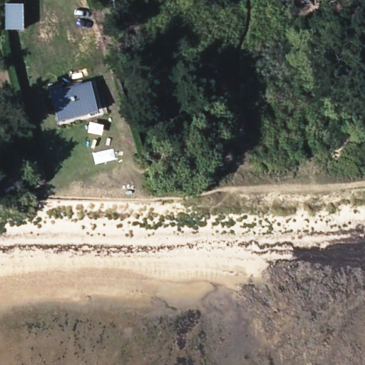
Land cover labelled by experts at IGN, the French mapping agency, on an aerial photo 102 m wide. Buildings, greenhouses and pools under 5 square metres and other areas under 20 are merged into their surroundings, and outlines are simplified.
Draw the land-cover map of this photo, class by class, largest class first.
<instances>
[{"label":"bare soil","instance_id":"1","mask_svg":"<svg viewBox=\"0 0 365 365\"><path fill-rule=\"evenodd\" d=\"M182 202L171 204H134L133 200L111 198H100L98 201L48 200L43 210L38 211L31 221L26 220V224L16 227L6 224V232L0 235V365H365V187H358L355 198H342L332 204L311 198L305 202V210H298L294 205L285 207L279 202L267 204V201L262 200L261 192H251V200L235 197L231 192L201 194H195L194 197L180 195ZM77 205H83L86 211L110 210L118 214L130 212V217L125 220H80ZM151 208L158 214L173 215L180 212L188 215L197 214L202 208H208L211 217L202 218L201 221L207 225L200 228L161 227L158 230H145L135 227L133 222H143Z\"/></svg>","mask_w":365,"mask_h":365},{"label":"deciduous trees","instance_id":"2","mask_svg":"<svg viewBox=\"0 0 365 365\"><path fill-rule=\"evenodd\" d=\"M168 0H100L104 9H110V14L104 19L103 34L118 41L125 27L147 23L160 14V7ZM241 0H192V6H202L207 11L212 10L214 6L224 9L232 3H240ZM284 6L292 4V19L302 20L304 29L312 36L308 41V47L305 48V56L311 63L314 76L312 96L317 93L321 98H329L334 107L336 120L344 118L345 125L365 128V0H281ZM104 64L110 66L114 77L121 81L123 88L124 97L120 100V115L123 118L128 124L134 121L140 125L141 133L147 134L143 147L150 157L145 161L148 167L143 168L141 190L147 197L180 195L194 197L195 194H201L208 191L211 174L214 173L215 167H220L224 163L225 158L228 148L237 141L241 106L237 94L227 81L220 80L214 67L202 63L200 58L188 60L187 57H182L174 68H160L155 60L153 48L145 43L138 44L130 56L123 54L108 51L106 56ZM31 113V106L21 101L6 103H0V140H10L14 135L23 138L33 137L34 124L26 117Z\"/></svg>","mask_w":365,"mask_h":365},{"label":"brushwood","instance_id":"3","mask_svg":"<svg viewBox=\"0 0 365 365\"><path fill-rule=\"evenodd\" d=\"M11 3L10 0H0V36L9 38L10 30L6 29V4ZM292 4L284 6L281 0H241L240 3H232L224 9L214 6L212 10L207 11L202 6H192V0H168L160 7V14L147 23L125 27L118 41L123 54L130 56L138 44L145 43L153 48L155 60L160 68H174L182 57H187L188 60L200 58L202 63L214 67L220 80L227 81L237 94L241 106L237 141L228 148L225 158L232 160V155H240L244 160L245 154L248 153L257 158H268L271 164L288 168L289 171L291 168L299 167L305 161L311 160L324 170L325 174L332 175L338 182L365 180V128L345 125L344 118L336 120L334 107L329 98H321L317 93L312 96L314 76L311 63L305 56V48L308 47V41L312 36L304 29L302 20L292 19ZM10 53L9 40L3 43L0 50V103H6V97L20 90V84L14 67H6L4 64V57ZM137 148L133 158L134 164L143 168L148 167L145 161L150 157L143 147L147 134L141 133L140 125L134 121L128 124ZM29 192L23 185L17 190V195L0 200V205L16 208L17 211L27 214L30 205L21 204L20 198Z\"/></svg>","mask_w":365,"mask_h":365},{"label":"herbaceous vegetation","instance_id":"4","mask_svg":"<svg viewBox=\"0 0 365 365\"><path fill-rule=\"evenodd\" d=\"M11 3L23 4L24 29L10 30L9 38L0 36V50L3 43L9 40L10 53L4 57V64L6 67H14L20 84V90L6 97V103L21 101L31 106V113L26 117L34 124L33 137L23 138L14 135L10 140H0V200L17 195V190L23 185L29 192L20 198L21 204L30 205L27 214L17 211L16 208L0 205V235L6 232V224L16 227L26 224V220L31 221L38 211L43 210L48 200L50 195L57 194L60 190H68L73 182H78L84 187L94 175L106 171V167L101 164L94 163L93 154L91 134L88 133L90 124H101L104 128L110 130L111 125H117L123 118L120 115V100L124 97L123 88L121 81L114 77L110 66L104 64L106 56L101 53V48L97 47L96 43L88 44L86 51H81L76 41L67 40L66 30L71 24L76 23L74 10H83L78 0H10ZM63 74H68L71 78L87 77L93 84L97 107L106 108V113L101 117L77 120L70 124H57L54 115L57 110L48 97V87L53 86L57 78ZM244 163L259 165L271 178L291 174L295 180L299 167L291 168L289 171L288 168L271 164L268 158H257L248 153L245 154L244 160ZM80 220H125L130 217V212L118 214L110 210L86 211L83 205H77ZM211 217L208 208H202L197 214L188 215L180 212L173 215L158 214L151 208L143 222H133L135 227L145 230H158L161 227L200 228L207 225L201 221L202 218Z\"/></svg>","mask_w":365,"mask_h":365},{"label":"pervious surface","instance_id":"5","mask_svg":"<svg viewBox=\"0 0 365 365\"><path fill-rule=\"evenodd\" d=\"M83 10H74L76 23L71 24L66 30L67 40L76 41L81 51H86L88 44L96 43L97 47L101 48V53L106 56L108 51L123 54L118 41L103 34L104 19L110 14V9H104L100 0H78ZM93 154L104 150L114 151V160L101 164L106 167V171L94 175L84 187L78 182H73L68 190H60L57 194L50 195L48 200L98 201L100 198H111L133 200L134 204H171L182 202L180 195L147 197L141 190L143 168L134 164L133 158L137 148L128 124L123 118L117 125H111L110 130L104 128L103 134H91ZM208 191L201 194L231 192L235 197L251 200V192H261L262 200L267 201V204L279 202L285 207L294 205L298 210H305V202L311 198L332 204L342 198H355L358 187H365V180L338 182L332 175L325 174L324 170L311 160L305 161L299 167L295 180L291 174L271 178L259 165L244 163V160L240 155H232V160L225 158L224 163L220 167H215L214 173L211 174Z\"/></svg>","mask_w":365,"mask_h":365},{"label":"building","instance_id":"6","mask_svg":"<svg viewBox=\"0 0 365 365\"><path fill-rule=\"evenodd\" d=\"M6 29L10 30L24 29L23 4L11 3L6 4ZM48 97L57 110L54 115L57 124H70L77 120L101 117L106 113V108L97 107L93 84L87 77L71 78L68 74H63L57 78L53 86L48 87ZM104 128L101 124H90L88 133L91 134H103ZM94 163L101 164L114 160V151L104 150L93 154Z\"/></svg>","mask_w":365,"mask_h":365}]
</instances>
